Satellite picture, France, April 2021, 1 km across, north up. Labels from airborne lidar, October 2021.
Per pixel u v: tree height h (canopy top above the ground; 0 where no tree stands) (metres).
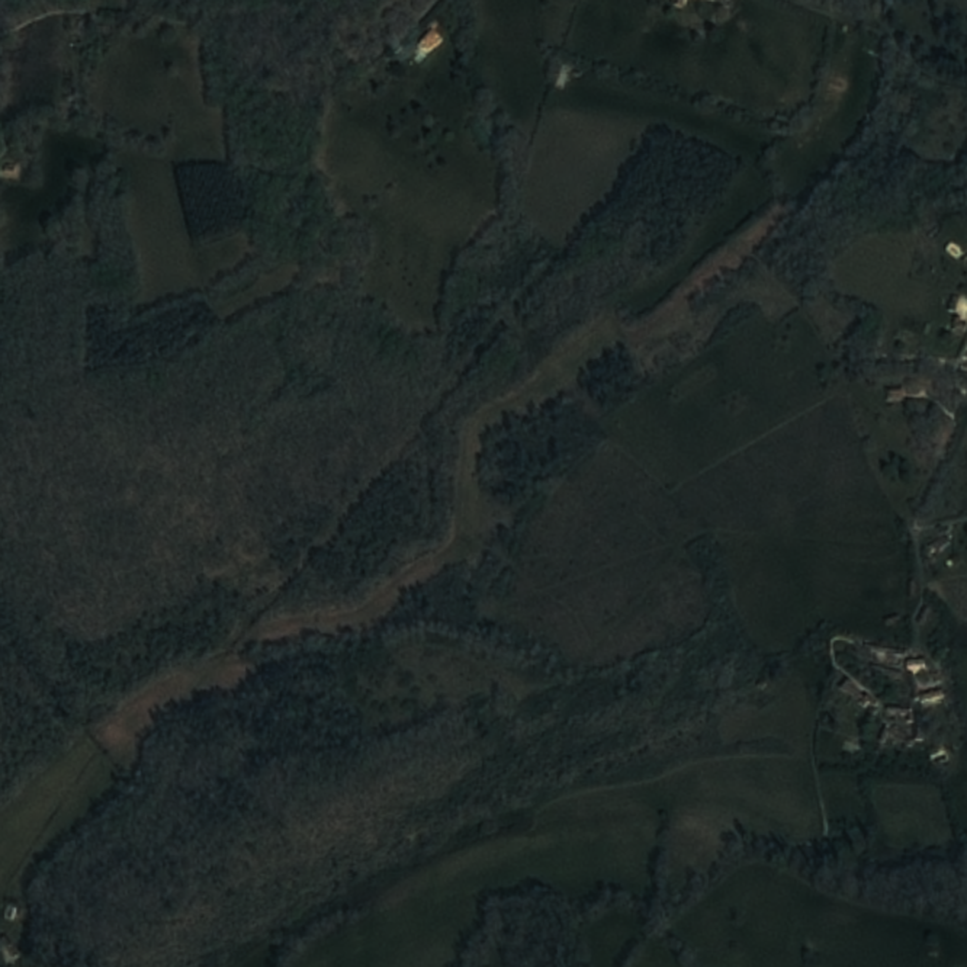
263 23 18
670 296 5
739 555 0
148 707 0
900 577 0
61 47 0
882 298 0
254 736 18
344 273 15
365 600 16
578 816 0
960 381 14
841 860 35
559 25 0
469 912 0
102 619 13
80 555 13
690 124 0
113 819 18
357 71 21
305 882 25
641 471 0
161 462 13
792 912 0
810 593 0
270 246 25
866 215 17
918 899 25
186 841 21
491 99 17
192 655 18
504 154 24
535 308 16
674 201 24
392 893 0
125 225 19
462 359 16
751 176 0
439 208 0
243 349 21
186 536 15
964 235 0
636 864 0
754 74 0
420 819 14
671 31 0
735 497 0
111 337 16
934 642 6
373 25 19
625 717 10
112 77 0
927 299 0
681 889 0
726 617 6
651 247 7
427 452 13
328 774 23
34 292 21
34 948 15
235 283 19
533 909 25
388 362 20
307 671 17
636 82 13
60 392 16
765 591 0
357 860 20
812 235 19
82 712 17
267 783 24
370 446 16
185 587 17
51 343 19
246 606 16
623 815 0
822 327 0
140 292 14
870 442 8
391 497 18
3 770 18
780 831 0
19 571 14
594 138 0
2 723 14
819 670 12
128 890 18
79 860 17
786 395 0
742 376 0
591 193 0
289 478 18
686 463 0
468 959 24
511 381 16
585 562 0
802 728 0
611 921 0
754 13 0
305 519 18
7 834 0
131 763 0
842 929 0
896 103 15
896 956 0
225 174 14
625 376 17
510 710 14
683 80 0
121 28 8
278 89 17
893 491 0
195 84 0
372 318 19
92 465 13
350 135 0
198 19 10
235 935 22
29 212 0
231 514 14
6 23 20
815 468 0
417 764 19
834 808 0
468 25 16
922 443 17
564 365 0
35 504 11
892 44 11
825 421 0
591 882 0
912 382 10
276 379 18
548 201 0
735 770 0
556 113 0
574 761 14
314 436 18
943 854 8
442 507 16
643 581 0
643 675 21
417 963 0
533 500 7
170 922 11
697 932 0
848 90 0
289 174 22
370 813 16
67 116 10
